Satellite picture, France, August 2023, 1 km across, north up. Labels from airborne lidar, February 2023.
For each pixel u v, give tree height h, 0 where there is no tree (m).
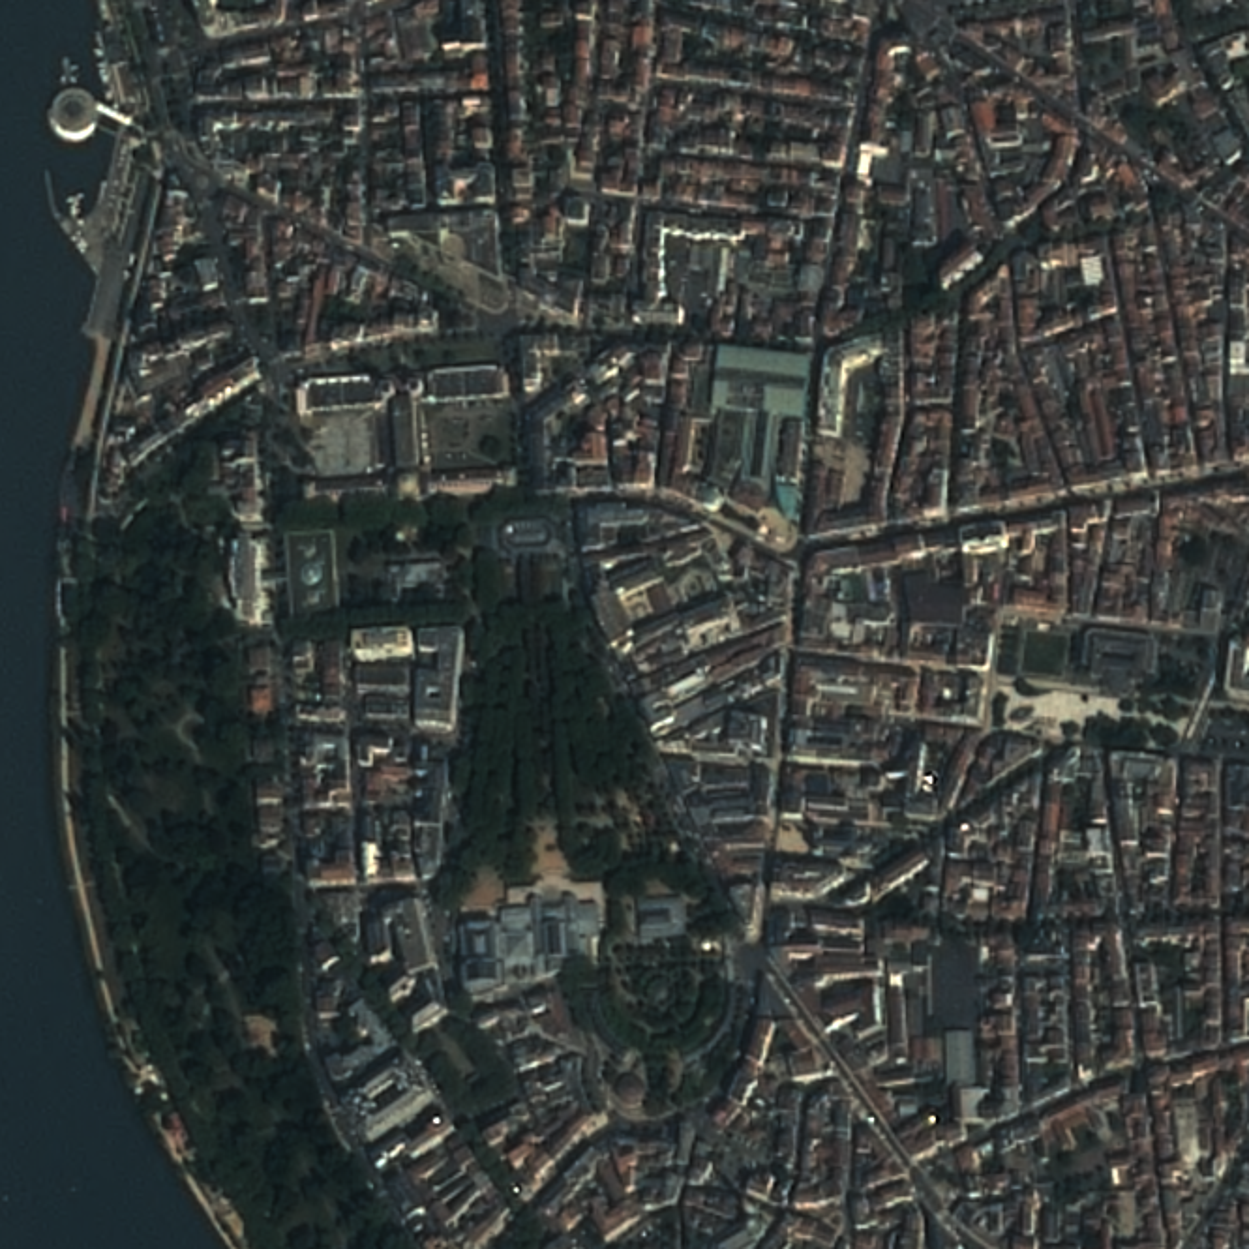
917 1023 0
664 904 0
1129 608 0
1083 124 0
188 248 8
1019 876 0
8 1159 0
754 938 0
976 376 0
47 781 0
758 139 10
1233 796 0
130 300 7
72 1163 0
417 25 0
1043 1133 0
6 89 0
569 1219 0
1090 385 0
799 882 0
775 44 0
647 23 0
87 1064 0
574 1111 0
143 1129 0
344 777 0
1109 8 7
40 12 0
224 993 16
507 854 19
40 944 0
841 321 0
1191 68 0
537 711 12
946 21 0
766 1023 0
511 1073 22
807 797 0
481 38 0
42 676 0
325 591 0
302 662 0
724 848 0
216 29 0
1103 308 0
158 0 0
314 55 21
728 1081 0
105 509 0
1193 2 12
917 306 21
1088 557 0
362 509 26
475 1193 0
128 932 17
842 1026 0
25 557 0
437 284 10
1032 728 0
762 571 0
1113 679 0
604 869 20
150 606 19
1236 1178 7
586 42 0
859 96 0
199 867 10
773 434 0
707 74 0
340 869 0
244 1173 11
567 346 0
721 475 0
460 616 21
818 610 0
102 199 0
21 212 0
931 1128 0
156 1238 0
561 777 19
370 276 0
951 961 0
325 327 0
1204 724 0
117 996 0
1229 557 0
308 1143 19
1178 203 20
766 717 0
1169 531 0
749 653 0
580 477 0
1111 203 0
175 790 0
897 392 0
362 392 0
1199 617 0
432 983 0
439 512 24
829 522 0
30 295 0
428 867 0
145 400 0
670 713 0
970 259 0
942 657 0
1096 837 0
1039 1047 0
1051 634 0
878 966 0
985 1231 0
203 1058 22
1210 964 0
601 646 10
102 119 0
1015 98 0
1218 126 0
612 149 7
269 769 10
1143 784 0
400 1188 0
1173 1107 0
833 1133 14
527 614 16
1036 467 0
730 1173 0
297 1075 18
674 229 0
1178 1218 0
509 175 14
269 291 0
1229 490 0
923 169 0
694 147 0
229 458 0
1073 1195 8
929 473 0
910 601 0
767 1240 0
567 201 0
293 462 18
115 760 19
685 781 0
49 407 0
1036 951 0
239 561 0
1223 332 0
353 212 0
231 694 33
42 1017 0
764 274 0
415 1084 0
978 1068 0
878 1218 0
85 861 0
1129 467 0
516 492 18
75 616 17
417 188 0
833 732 0
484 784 20
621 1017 12
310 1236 18
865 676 0
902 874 0
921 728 6
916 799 0
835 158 0
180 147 0
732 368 0
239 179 0
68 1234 0
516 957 0
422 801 0
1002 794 11
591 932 0
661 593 0
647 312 0
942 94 0
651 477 0
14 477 0
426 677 0
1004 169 0
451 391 0
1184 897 0
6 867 0
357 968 16
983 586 0
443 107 0
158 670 20
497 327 0
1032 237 19
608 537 0
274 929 25
